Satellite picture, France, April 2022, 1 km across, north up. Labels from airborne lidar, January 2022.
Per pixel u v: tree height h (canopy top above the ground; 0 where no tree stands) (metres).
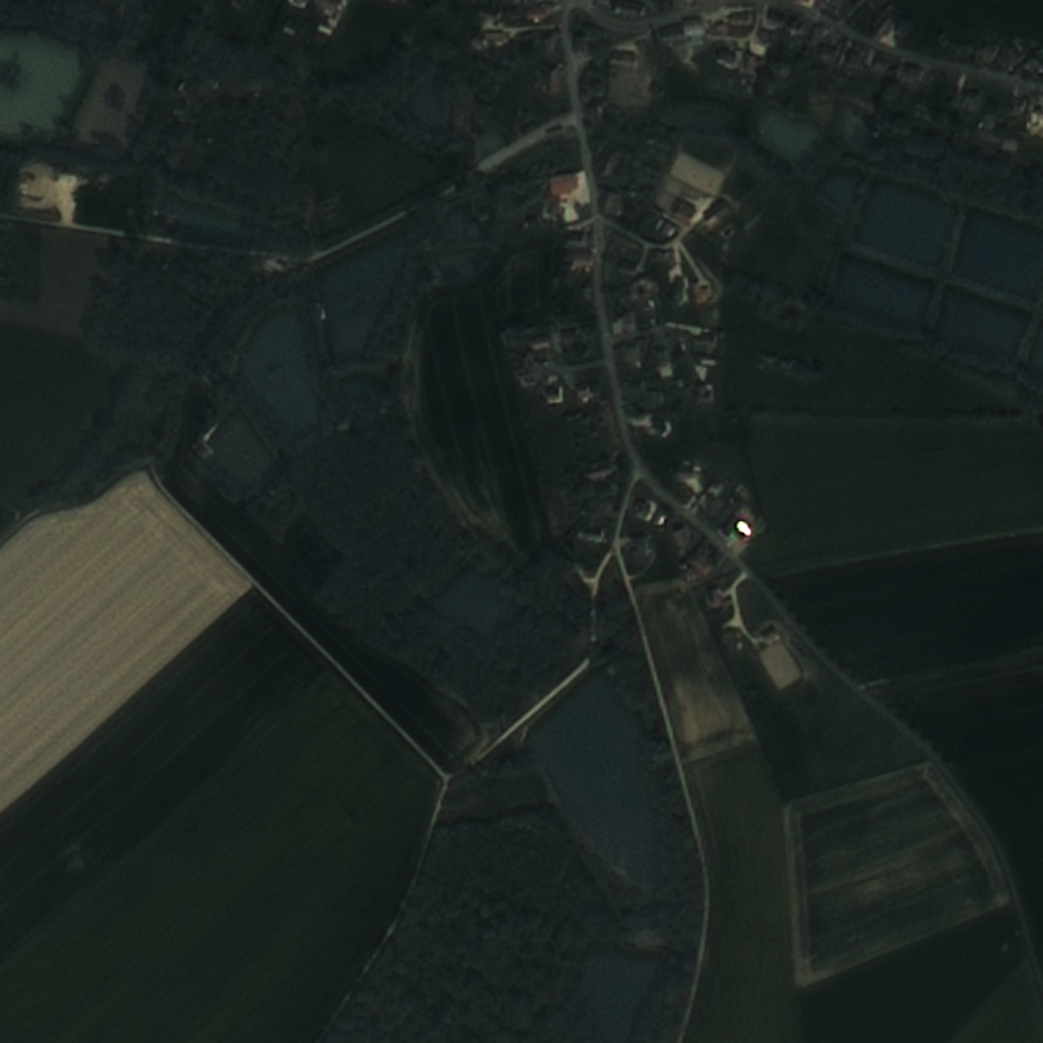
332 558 0
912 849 0
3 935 0
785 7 0
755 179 0
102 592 0
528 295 0
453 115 35
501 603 0
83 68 9
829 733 0
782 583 0
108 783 0
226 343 20
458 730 0
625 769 0
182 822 0
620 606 25
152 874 0
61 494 22
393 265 0
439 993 30
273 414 15
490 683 26
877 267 0
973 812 0
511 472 0
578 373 0
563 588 28
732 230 0
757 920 0
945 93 0
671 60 0
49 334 0
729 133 12
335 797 0
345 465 24
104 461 26
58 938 0
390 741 0
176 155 22
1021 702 0
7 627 0
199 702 0
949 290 0
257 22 0
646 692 24
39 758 0
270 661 0
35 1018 0
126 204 0
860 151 8
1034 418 13
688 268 0
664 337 0
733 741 0
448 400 0
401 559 27
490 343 0
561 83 0
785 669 0
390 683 0
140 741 0
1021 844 0
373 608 26
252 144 9
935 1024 0
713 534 0
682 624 0
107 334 29
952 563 0
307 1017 0
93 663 0
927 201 0
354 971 0
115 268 23
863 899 0
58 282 0
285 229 15
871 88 0
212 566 0
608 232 0
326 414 18
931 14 0
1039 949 0
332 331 0
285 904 0
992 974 0
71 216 0
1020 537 0
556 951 22
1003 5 0
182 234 19
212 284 10
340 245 0
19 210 0
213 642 0
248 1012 0
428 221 24
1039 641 0
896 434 0
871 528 0
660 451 0
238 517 0
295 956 0
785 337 0
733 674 0
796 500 0
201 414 0
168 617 0
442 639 25
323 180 0
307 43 0
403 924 21
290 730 0
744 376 0
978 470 0
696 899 24
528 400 0
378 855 0
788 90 0
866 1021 0
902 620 0
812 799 0
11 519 0
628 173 8
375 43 0
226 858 0
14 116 0
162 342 25
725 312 0
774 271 0
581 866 10
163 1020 0
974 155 24
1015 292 0
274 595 0
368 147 0
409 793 0
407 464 26
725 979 0
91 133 0
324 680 0
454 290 0
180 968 0
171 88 29
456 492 0
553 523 14
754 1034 0
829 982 0
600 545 0
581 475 7
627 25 0
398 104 37
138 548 0
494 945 28
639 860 0
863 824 0
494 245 18
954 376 0
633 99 0
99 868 0
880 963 0
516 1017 25
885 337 0
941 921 0
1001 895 0
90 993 0
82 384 0
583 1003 11
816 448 0
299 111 13
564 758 0
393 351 18
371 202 0
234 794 0
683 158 0
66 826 0
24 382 0
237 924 0
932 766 0
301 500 20
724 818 0
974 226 0
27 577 0
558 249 0
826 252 0
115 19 0
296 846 0
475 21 0
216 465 15
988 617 0
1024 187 24
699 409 0
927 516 0
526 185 13
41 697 0
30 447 0
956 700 0
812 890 0
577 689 0
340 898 0
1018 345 0
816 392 0
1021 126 0
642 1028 16
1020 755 0
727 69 0
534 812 11
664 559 0
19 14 23
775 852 0
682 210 0
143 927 0
